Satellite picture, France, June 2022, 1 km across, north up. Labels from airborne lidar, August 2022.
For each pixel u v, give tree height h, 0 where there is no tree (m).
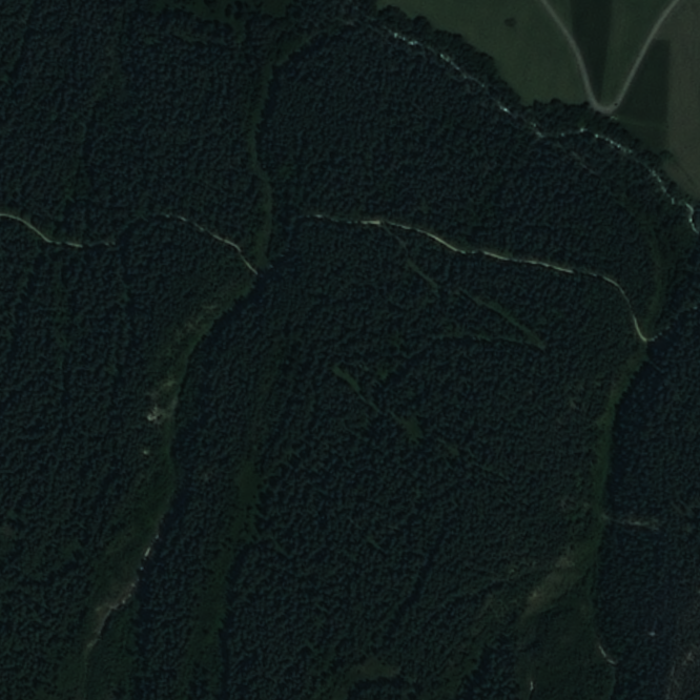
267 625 21
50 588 31
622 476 14
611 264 22
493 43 0
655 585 11
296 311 29
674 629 10
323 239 27
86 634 17
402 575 32
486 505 25
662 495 26
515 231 17
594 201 31
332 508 29
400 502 22
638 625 10
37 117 23
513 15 0
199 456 20
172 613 33
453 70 24
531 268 20
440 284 27
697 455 28
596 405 16
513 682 39
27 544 35
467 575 20
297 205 6
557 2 0
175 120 32
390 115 25
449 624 25
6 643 26
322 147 27
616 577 15
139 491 8
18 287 26
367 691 30
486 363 32
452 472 31
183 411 6
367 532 16
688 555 24
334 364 27
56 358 19
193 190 27
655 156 16
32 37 31
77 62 24
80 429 28
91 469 36
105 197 35
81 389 23
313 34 30
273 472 12
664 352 27
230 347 29
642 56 0
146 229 25
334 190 32
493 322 30
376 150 28
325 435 17
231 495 16
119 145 30
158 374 10
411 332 32
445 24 0
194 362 8
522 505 27
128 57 12
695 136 0
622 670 9
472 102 31
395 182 10
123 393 27
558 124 28
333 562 28
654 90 0
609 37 0
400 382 30
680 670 15
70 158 32
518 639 15
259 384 27
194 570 26
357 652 23
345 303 32
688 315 13
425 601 33
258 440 6
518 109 32
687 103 0
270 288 33
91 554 35
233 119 25
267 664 32
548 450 22
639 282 25
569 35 0
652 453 29
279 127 27
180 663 25
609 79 0
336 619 33
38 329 35
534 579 10
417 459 32
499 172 22
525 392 27
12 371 31
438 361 34
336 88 34
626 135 18
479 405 30
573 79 0
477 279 30
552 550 15
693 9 0
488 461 33
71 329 17
